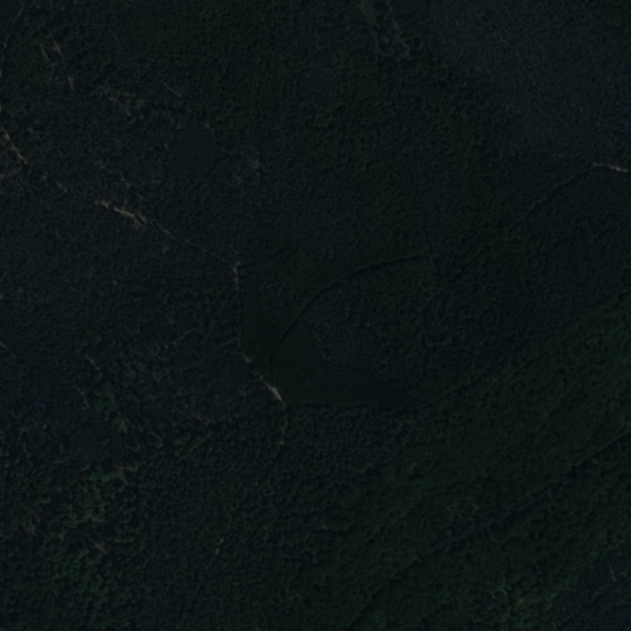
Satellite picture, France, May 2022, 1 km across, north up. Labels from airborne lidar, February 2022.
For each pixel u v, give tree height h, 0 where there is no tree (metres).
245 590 32
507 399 27
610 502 31
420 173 25
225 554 22
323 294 21
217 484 30
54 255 23
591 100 24
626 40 22
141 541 32
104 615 35
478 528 24
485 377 12
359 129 24
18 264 23
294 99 22
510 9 23
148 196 22
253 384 11
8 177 28
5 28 11
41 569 27
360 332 19
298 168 19
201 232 24
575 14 22
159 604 25
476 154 21
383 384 16
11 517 26
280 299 12
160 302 13
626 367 21
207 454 28
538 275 21
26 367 21
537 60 23
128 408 11
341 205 24
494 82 25
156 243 26
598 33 23
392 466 24
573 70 23
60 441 6
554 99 23
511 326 24
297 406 23
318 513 21
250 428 25
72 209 25
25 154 21
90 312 24
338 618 32
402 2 11
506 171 19
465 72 25
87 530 13
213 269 26
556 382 27
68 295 20
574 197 16
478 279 19
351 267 14
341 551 29
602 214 13
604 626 14
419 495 22
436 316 27
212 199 19
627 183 17
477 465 24
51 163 26
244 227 20
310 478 26
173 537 25
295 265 15
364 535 23
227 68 26
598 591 12
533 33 21
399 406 13
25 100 23
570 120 22
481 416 29
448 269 22
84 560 34
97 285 26
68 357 28
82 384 20
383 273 23
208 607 31
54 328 21
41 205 25
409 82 27
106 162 26
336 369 14
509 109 24
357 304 18
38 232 24
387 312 24
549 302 24
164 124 23
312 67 21
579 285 26
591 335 26
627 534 10
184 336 8
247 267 12
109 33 20
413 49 10
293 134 20
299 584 27
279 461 22
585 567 9
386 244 14
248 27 20
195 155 15
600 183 15
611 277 27
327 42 25
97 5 15
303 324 16
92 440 10
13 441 36
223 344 9
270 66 19
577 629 12
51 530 30
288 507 25
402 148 17
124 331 22
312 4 25
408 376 19
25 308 26
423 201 23
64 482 11
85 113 25
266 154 19
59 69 9
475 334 26
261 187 21
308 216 25
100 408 32
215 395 11
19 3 11
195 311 9
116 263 23
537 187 17
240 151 15
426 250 18
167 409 8
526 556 26
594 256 23
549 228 14
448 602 24
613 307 25
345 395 13
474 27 25
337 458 25
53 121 24
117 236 27
